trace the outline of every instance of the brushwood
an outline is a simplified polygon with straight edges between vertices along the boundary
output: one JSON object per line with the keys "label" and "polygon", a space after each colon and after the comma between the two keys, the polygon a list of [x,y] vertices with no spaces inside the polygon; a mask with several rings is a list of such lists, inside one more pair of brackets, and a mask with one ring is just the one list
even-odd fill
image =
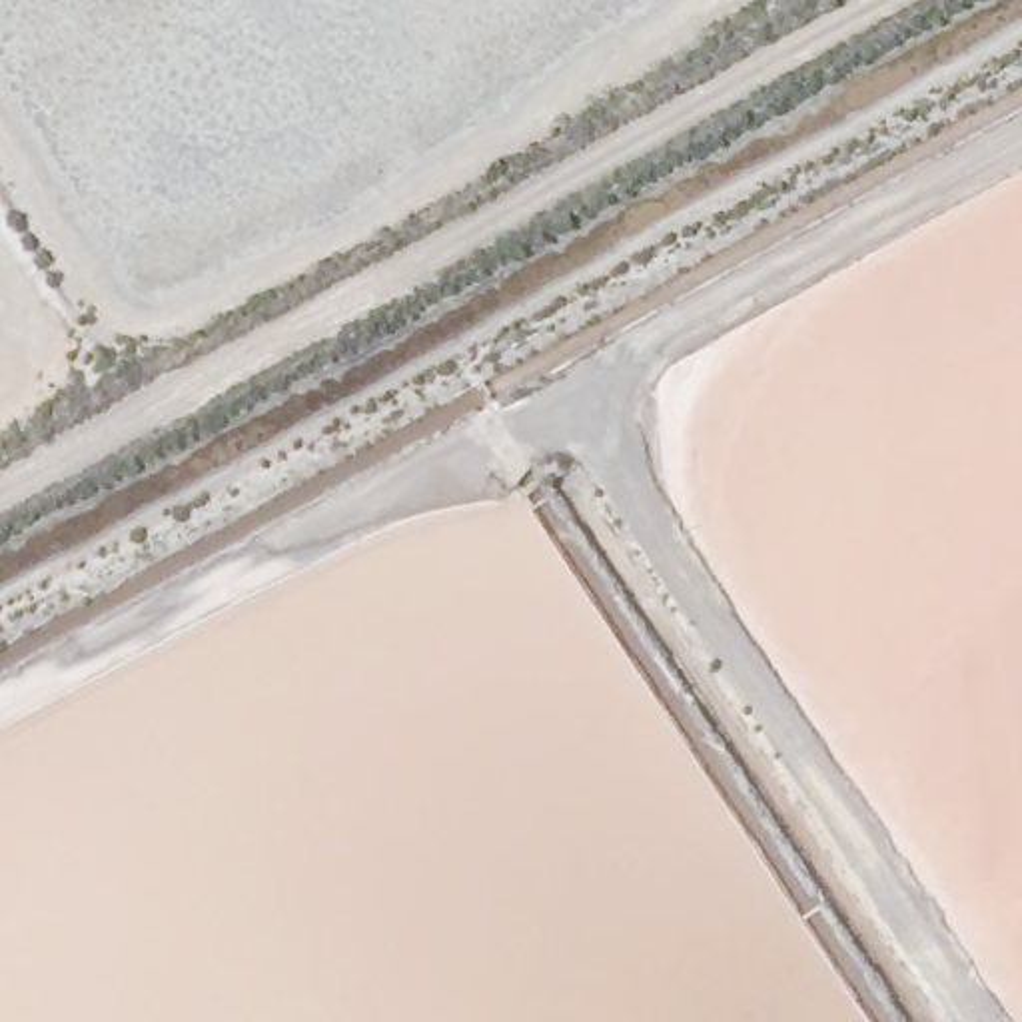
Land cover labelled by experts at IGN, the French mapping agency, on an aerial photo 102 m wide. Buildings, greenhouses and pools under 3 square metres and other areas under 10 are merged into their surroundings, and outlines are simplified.
{"label": "brushwood", "polygon": [[108,347],[96,347],[96,383],[84,383],[80,371],[72,371],[68,383],[52,391],[28,419],[16,419],[0,431],[0,471],[28,459],[56,435],[112,411],[144,383],[192,367],[196,359],[228,347],[232,339],[244,339],[259,323],[291,315],[327,287],[399,256],[403,248],[451,228],[455,220],[483,212],[515,188],[483,172],[479,180],[447,192],[443,200],[407,212],[395,228],[379,228],[363,244],[323,256],[311,271],[299,271],[287,283],[248,295],[240,307],[212,315],[204,327],[188,335],[116,335]]}
{"label": "brushwood", "polygon": [[774,116],[786,116],[794,104],[826,88],[850,80],[866,64],[878,64],[910,36],[946,24],[962,0],[918,0],[914,20],[890,16],[870,24],[866,32],[826,48],[794,72],[755,88],[747,100],[735,100],[731,108],[691,124],[663,148],[607,172],[599,184],[563,196],[547,212],[531,216],[523,228],[499,236],[491,248],[475,248],[471,256],[443,267],[435,283],[423,283],[411,295],[343,323],[335,339],[315,339],[311,347],[291,351],[287,359],[228,387],[204,411],[120,447],[116,455],[92,463],[84,475],[52,483],[0,515],[0,555],[8,551],[8,539],[16,531],[40,523],[44,515],[72,507],[88,495],[96,495],[100,503],[160,471],[176,487],[236,463],[244,451],[275,435],[263,427],[259,415],[283,407],[287,399],[323,387],[327,379],[343,379],[351,367],[363,367],[371,355],[399,347],[415,331],[431,327],[435,319],[471,303],[483,291],[495,291],[503,307],[531,295],[547,279],[559,279],[571,267],[595,259],[599,252],[635,232],[627,224],[647,184],[711,156],[743,132]]}
{"label": "brushwood", "polygon": [[0,176],[0,208],[8,212],[8,224],[32,252],[44,279],[60,271],[60,263],[28,224],[28,212],[16,208],[12,184]]}
{"label": "brushwood", "polygon": [[559,116],[551,132],[539,140],[551,164],[579,156],[583,148],[619,132],[623,124],[651,116],[655,108],[715,80],[719,72],[755,56],[759,48],[798,32],[830,0],[735,0],[739,8],[731,12],[731,20],[711,24],[695,48],[659,60],[631,84],[607,88],[583,112]]}

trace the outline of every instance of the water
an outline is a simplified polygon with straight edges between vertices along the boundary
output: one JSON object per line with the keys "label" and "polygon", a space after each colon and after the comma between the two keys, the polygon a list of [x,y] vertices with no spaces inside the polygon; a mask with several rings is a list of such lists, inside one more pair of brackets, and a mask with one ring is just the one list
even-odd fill
{"label": "water", "polygon": [[695,291],[711,275],[735,275],[747,259],[774,252],[786,240],[802,240],[814,220],[830,220],[834,212],[854,208],[886,180],[950,156],[962,140],[958,132],[922,132],[898,148],[886,148],[858,172],[826,180],[774,220],[755,224],[743,240],[675,267],[671,275],[647,283],[639,295],[607,307],[603,315],[583,319],[575,331],[555,335],[543,347],[531,347],[531,339],[515,339],[523,355],[495,367],[459,399],[419,411],[403,427],[379,431],[351,455],[287,483],[259,507],[220,523],[216,531],[204,531],[172,555],[160,555],[144,571],[120,579],[116,587],[80,599],[68,611],[56,611],[48,623],[24,631],[20,639],[0,643],[0,675],[12,663],[32,667],[28,659],[52,639],[92,623],[104,611],[124,607],[148,587],[180,575],[184,567],[212,559],[248,531],[283,519],[287,511],[347,483],[351,475],[379,467],[399,447],[463,423],[487,403],[527,399],[551,383],[563,383],[579,359],[603,351],[611,335],[619,335],[627,323],[643,319],[647,311],[671,307],[679,295]]}
{"label": "water", "polygon": [[76,691],[44,703],[40,711],[0,727],[0,1022],[870,1022],[846,990],[846,982],[838,978],[838,970],[830,966],[830,958],[822,954],[822,946],[814,942],[814,934],[806,930],[806,922],[798,918],[798,910],[790,906],[790,898],[782,894],[782,886],[774,882],[774,874],[767,870],[755,842],[743,834],[739,818],[727,810],[695,755],[687,751],[667,711],[655,703],[635,663],[615,643],[611,627],[563,563],[563,555],[551,547],[523,491],[507,499],[407,515],[359,539],[347,539],[315,559],[303,559],[295,579],[279,579],[240,603],[216,607],[188,635],[156,627],[144,639],[132,639],[140,659],[132,659],[128,667],[80,683]]}
{"label": "water", "polygon": [[1022,172],[970,196],[938,220],[906,232],[902,240],[862,256],[846,271],[770,307],[767,315],[743,323],[711,347],[679,359],[675,367],[667,367],[655,391],[655,455],[671,503],[679,507],[707,563],[731,591],[739,615],[767,647],[770,663],[778,667],[810,723],[822,731],[834,759],[870,798],[870,806],[886,822],[894,846],[914,866],[926,894],[946,910],[954,938],[974,958],[982,982],[1002,998],[1014,1022],[1022,1022]]}
{"label": "water", "polygon": [[319,407],[331,407],[351,391],[375,383],[379,375],[403,367],[407,359],[431,351],[435,343],[455,339],[459,331],[475,327],[479,319],[503,307],[495,291],[483,291],[471,303],[435,319],[431,327],[415,331],[399,347],[371,355],[363,367],[351,367],[343,379],[327,379],[323,387],[287,399],[283,407],[259,415],[263,427],[275,435],[303,423]]}
{"label": "water", "polygon": [[28,547],[8,551],[0,555],[0,583],[24,575],[28,567],[68,547],[80,547],[84,539],[100,535],[104,527],[120,523],[124,515],[148,507],[152,499],[176,487],[160,471],[100,503],[88,515],[64,519],[52,531],[32,535]]}
{"label": "water", "polygon": [[711,156],[647,184],[627,224],[635,232],[699,200],[703,192],[727,184],[731,176],[842,124],[850,112],[862,112],[882,96],[906,88],[914,80],[910,68],[878,64],[866,64],[850,80],[826,88],[830,104],[814,116],[802,116],[790,132],[767,136],[723,164],[711,164]]}

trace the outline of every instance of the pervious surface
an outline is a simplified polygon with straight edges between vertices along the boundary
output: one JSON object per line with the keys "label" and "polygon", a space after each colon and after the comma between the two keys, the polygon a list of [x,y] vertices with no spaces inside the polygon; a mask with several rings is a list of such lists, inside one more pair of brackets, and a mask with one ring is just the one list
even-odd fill
{"label": "pervious surface", "polygon": [[16,531],[8,539],[8,551],[28,547],[32,535],[52,531],[64,519],[88,515],[100,503],[96,495],[88,495],[72,507],[44,515],[40,523]]}
{"label": "pervious surface", "polygon": [[96,347],[108,347],[116,335],[188,335],[204,327],[212,315],[240,307],[248,295],[287,283],[299,271],[311,271],[323,256],[363,244],[379,228],[395,228],[407,212],[443,200],[447,192],[479,180],[483,172],[515,188],[483,212],[455,220],[451,228],[403,248],[399,256],[327,287],[291,315],[259,323],[244,339],[232,339],[228,347],[196,359],[192,367],[144,383],[112,411],[56,435],[28,459],[0,471],[0,515],[52,483],[84,475],[92,463],[116,455],[120,447],[204,411],[228,387],[287,359],[291,351],[311,347],[315,339],[335,339],[343,323],[411,295],[423,283],[435,283],[443,267],[471,256],[475,248],[491,248],[499,236],[523,228],[531,216],[547,212],[563,196],[599,184],[607,172],[663,148],[691,124],[731,108],[735,100],[747,100],[755,88],[794,72],[826,48],[866,32],[870,24],[890,16],[914,20],[918,0],[830,0],[798,32],[759,48],[755,56],[719,72],[715,80],[655,108],[651,116],[623,124],[619,132],[583,148],[579,156],[551,164],[539,140],[551,132],[559,116],[583,112],[607,88],[631,84],[659,60],[695,48],[711,24],[731,20],[731,12],[739,8],[735,0],[0,0],[0,176],[12,184],[16,208],[28,212],[28,224],[60,263],[60,271],[44,279],[32,252],[8,224],[8,212],[0,208],[0,431],[16,419],[28,419],[52,391],[68,383],[72,371],[80,371],[84,383],[96,383]]}
{"label": "pervious surface", "polygon": [[711,164],[723,164],[767,136],[790,132],[802,116],[814,116],[830,104],[826,88],[794,104],[786,116],[774,116],[743,132],[711,156]]}
{"label": "pervious surface", "polygon": [[515,339],[531,339],[531,347],[543,347],[555,335],[575,331],[583,319],[603,315],[607,307],[639,295],[647,283],[671,275],[675,267],[743,240],[755,224],[774,220],[826,180],[858,172],[886,148],[898,148],[922,132],[958,132],[962,140],[950,156],[886,180],[854,208],[834,212],[830,220],[814,220],[802,240],[786,240],[774,252],[747,259],[735,275],[711,275],[695,291],[679,295],[671,307],[647,311],[643,319],[627,323],[619,335],[611,335],[603,351],[579,359],[563,383],[551,383],[527,399],[487,403],[463,423],[399,447],[379,467],[351,475],[347,483],[287,511],[283,519],[248,531],[212,559],[184,567],[180,575],[148,587],[124,607],[104,611],[92,623],[52,639],[28,659],[32,667],[12,663],[0,675],[0,727],[40,711],[44,703],[76,691],[80,683],[128,667],[132,659],[140,659],[132,639],[144,639],[156,627],[188,635],[216,607],[240,603],[279,579],[295,579],[303,559],[315,559],[347,539],[359,539],[407,515],[507,499],[523,491],[551,547],[563,555],[563,563],[611,627],[615,643],[635,663],[655,703],[667,711],[687,751],[695,755],[727,810],[739,818],[743,834],[755,842],[767,870],[774,874],[774,882],[782,886],[782,894],[790,898],[790,906],[798,910],[798,918],[806,922],[806,930],[814,934],[814,942],[822,946],[822,954],[830,958],[830,966],[838,970],[838,978],[846,982],[846,990],[870,1022],[1014,1022],[1002,998],[982,982],[974,958],[954,938],[946,910],[926,894],[914,866],[894,846],[886,822],[870,806],[870,798],[834,759],[822,731],[810,723],[778,667],[770,663],[767,647],[739,615],[731,591],[707,563],[679,507],[671,503],[655,455],[655,391],[667,367],[675,367],[679,359],[711,347],[743,323],[767,315],[770,307],[846,271],[862,256],[902,240],[906,232],[938,220],[970,196],[1022,172],[1022,0],[962,0],[946,24],[910,36],[878,64],[910,68],[914,80],[906,88],[882,96],[862,112],[850,112],[842,124],[731,176],[727,184],[703,192],[699,200],[635,232],[599,252],[595,259],[571,267],[559,279],[547,279],[531,295],[503,307],[479,319],[475,327],[459,331],[455,339],[435,343],[431,351],[407,359],[403,367],[379,375],[375,383],[351,391],[331,407],[319,407],[303,423],[275,435],[244,451],[236,463],[176,487],[152,499],[148,507],[124,515],[120,523],[104,527],[100,535],[84,539],[80,547],[68,547],[28,567],[24,575],[0,583],[0,643],[20,639],[24,631],[48,623],[56,611],[68,611],[80,599],[116,587],[120,579],[144,571],[160,555],[172,555],[204,531],[216,531],[220,523],[259,507],[287,483],[351,455],[379,431],[403,427],[419,411],[459,399],[495,367],[523,355]]}

